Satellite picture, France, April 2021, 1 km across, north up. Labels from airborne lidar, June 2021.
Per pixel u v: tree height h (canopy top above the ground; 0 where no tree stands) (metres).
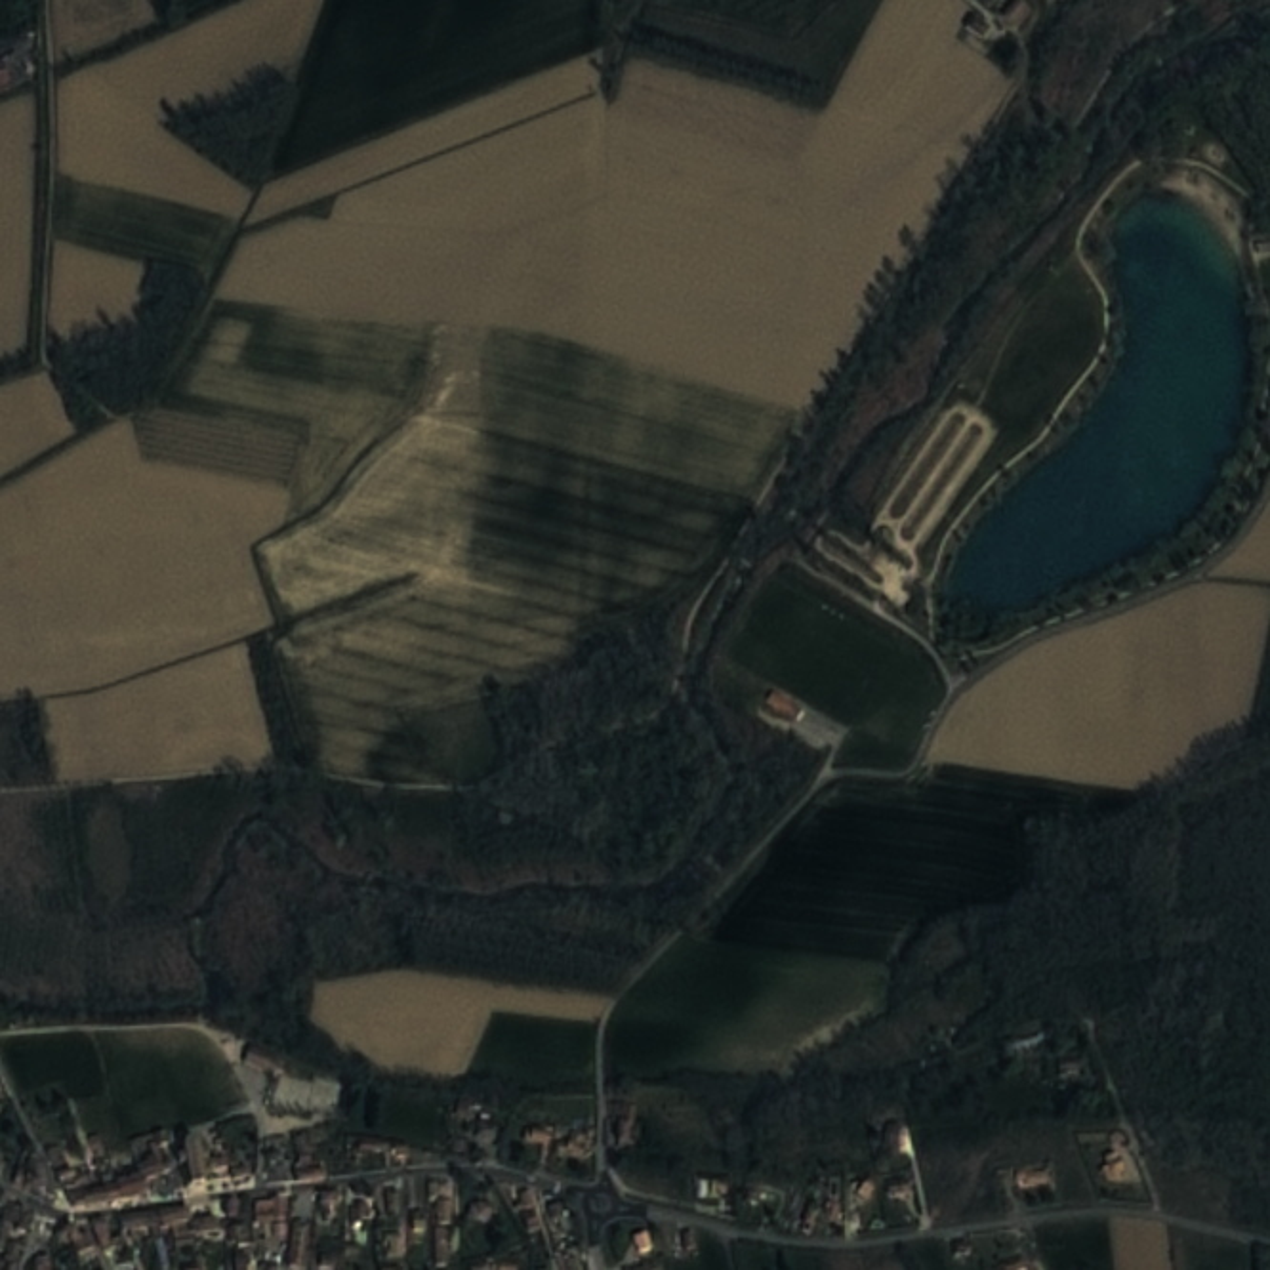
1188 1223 0
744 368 0
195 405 0
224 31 0
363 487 0
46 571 0
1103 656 0
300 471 0
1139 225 0
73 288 0
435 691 0
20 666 0
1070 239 0
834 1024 0
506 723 13
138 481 0
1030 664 0
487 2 0
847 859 0
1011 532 0
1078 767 0
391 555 0
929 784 0
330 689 0
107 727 0
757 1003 0
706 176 0
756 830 13
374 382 0
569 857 27
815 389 0
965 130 0
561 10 0
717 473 0
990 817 0
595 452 0
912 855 0
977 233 31
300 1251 0
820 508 7
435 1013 0
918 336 16
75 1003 20
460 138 0
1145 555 14
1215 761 27
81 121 0
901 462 0
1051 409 0
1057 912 25
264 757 0
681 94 0
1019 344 0
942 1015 0
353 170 0
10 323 0
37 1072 0
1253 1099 10
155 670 0
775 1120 31
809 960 0
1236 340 0
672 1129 0
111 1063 0
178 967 10
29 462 0
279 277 0
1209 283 0
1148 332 0
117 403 14
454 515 0
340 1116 11
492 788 17
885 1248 0
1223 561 0
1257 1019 24
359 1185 9
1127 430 0
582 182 0
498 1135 8
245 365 0
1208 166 0
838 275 0
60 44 0
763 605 0
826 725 0
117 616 0
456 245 0
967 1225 0
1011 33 0
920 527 0
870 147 0
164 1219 0
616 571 0
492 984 32
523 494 0
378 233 0
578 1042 0
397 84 0
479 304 0
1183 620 0
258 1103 0
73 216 0
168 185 0
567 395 0
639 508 0
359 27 0
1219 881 21
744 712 8
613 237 0
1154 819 17
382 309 0
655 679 34
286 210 0
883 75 0
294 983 30
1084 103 0
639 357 0
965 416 0
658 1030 0
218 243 0
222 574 0
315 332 0
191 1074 0
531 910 14
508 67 0
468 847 9
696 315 0
